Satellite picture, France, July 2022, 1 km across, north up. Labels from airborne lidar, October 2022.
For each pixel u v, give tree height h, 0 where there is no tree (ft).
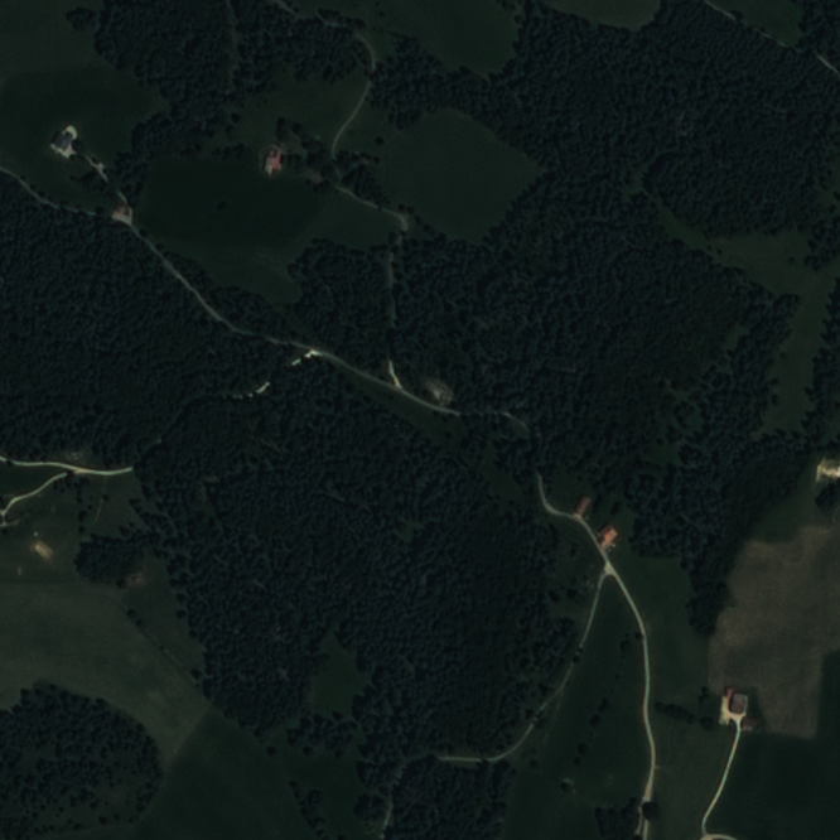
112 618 0
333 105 0
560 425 65
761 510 68
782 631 0
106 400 90
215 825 0
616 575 0
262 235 0
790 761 0
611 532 0
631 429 58
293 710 101
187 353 74
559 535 71
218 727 0
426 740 61
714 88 75
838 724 0
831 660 0
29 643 0
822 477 0
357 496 66
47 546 0
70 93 0
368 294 62
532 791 0
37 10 0
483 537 57
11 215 71
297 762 0
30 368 88
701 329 69
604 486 36
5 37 0
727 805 0
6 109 0
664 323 56
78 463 0
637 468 83
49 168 0
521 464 73
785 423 0
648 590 0
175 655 0
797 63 75
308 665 72
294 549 66
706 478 83
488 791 65
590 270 94
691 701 0
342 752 40
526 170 0
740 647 0
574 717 0
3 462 0
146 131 80
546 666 74
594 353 63
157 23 73
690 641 0
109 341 89
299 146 0
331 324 68
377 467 71
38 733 25
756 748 0
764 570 0
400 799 71
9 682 0
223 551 86
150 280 85
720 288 79
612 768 0
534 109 80
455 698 80
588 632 0
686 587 0
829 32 74
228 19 79
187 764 0
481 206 0
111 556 69
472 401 43
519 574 74
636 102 80
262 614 81
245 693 67
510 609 69
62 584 0
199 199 0
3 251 90
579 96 61
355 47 69
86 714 68
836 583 0
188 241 0
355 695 0
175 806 0
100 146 0
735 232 93
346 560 80
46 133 0
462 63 0
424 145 0
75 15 44
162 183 0
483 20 0
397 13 0
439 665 101
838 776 0
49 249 76
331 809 0
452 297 86
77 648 0
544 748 0
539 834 0
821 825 0
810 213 48
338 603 71
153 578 0
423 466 95
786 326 95
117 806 0
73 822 32
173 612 0
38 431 44
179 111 71
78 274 83
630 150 77
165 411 78
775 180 100
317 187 26
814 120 62
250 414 70
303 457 67
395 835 90
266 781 0
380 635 88
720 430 91
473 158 0
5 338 66
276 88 38
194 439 76
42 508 0
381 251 52
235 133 43
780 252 0
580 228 57
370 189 42
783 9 0
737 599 0
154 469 64
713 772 0
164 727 0
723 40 82
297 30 51
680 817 0
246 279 0
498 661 62
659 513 96
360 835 0
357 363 32
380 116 0
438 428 0
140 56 53
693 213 62
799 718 0
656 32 51
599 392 50
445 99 71
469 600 72
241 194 0
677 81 69
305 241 0
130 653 0
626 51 74
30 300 79
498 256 39
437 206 0
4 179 57
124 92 0
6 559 0
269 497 91
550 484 45
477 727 67
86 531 40
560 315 81
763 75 91
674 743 0
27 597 0
